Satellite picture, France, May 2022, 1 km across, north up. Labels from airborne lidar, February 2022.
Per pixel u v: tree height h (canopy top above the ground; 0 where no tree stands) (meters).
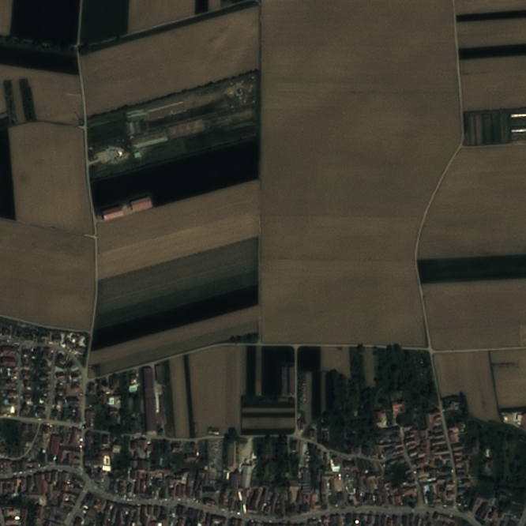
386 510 0
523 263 0
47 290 0
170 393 0
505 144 0
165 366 0
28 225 0
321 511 0
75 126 0
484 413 0
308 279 0
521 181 0
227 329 0
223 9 0
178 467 0
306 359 0
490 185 0
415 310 0
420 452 0
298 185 0
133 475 0
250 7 0
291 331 0
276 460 8
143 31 0
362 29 0
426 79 0
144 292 0
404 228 0
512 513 0
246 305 0
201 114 0
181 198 0
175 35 0
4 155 0
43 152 0
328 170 0
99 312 0
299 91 0
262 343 0
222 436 0
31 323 0
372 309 0
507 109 0
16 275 0
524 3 0
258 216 0
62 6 0
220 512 0
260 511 0
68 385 0
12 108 0
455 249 0
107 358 0
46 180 0
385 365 9
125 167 0
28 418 0
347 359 0
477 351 0
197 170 0
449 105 0
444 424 0
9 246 0
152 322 0
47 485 0
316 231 0
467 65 0
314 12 0
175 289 0
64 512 0
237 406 0
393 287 0
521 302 0
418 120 0
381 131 0
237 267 0
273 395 0
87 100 0
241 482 0
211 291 0
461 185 0
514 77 0
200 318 0
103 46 0
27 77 0
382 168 0
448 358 0
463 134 0
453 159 0
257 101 0
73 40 0
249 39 0
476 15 0
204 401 0
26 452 0
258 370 0
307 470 0
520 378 0
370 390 8
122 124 0
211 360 0
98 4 0
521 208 0
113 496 0
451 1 0
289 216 0
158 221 0
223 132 0
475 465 0
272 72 0
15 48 0
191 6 0
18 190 0
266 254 0
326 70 0
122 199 0
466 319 0
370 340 0
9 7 0
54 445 0
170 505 0
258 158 0
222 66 0
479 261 0
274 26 0
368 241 0
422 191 0
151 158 0
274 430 0
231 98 0
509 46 0
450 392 0
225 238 0
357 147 0
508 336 0
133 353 0
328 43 0
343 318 0
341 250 0
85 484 0
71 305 0
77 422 0
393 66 0
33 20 0
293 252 0
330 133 0
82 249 0
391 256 0
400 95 0
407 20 0
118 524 0
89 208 0
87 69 0
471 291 0
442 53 0
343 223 0
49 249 0
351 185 0
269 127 0
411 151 0
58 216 0
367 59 0
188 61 0
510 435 7
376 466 0
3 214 0
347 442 14
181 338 0
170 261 0
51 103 0
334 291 0
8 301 0
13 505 13
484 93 0
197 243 0
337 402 0
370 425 14
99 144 0
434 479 0
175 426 0
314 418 0
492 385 0
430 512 0
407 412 10
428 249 0
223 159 0
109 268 0
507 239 0
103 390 0
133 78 0
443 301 0
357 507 0
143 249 0
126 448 0
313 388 0
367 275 0
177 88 0
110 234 0
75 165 0
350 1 0
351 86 0
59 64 0
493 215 0
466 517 0
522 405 0
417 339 0
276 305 0
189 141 0
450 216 0
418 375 0
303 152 0
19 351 0
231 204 0
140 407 0
